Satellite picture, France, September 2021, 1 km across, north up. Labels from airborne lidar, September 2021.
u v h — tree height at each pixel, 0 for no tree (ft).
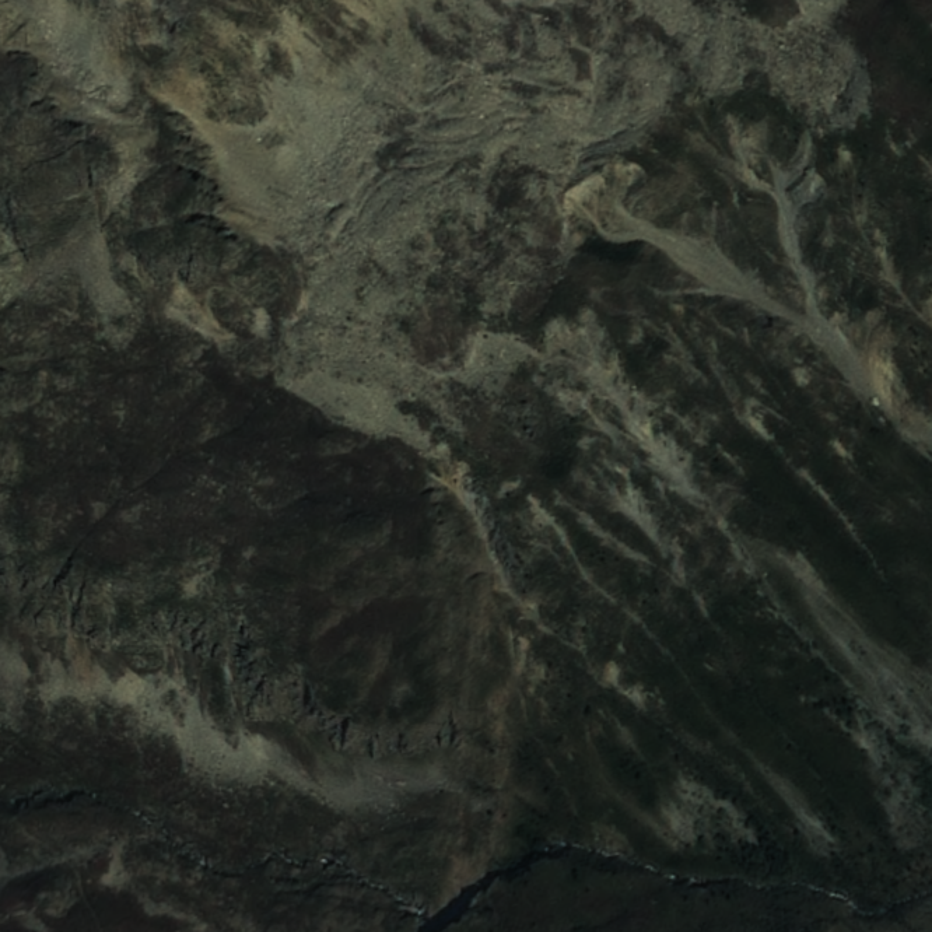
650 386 0
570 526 0
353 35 0
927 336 0
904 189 0
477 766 0
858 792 0
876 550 0
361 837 0
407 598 0
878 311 0
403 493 0
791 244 0
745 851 38
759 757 0
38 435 0
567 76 0
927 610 0
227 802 0
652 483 0
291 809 0
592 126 0
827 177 0
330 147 0
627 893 0
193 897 0
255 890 0
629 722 0
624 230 0
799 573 0
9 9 0
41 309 0
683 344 0
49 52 0
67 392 0
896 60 0
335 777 0
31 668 0
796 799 0
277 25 0
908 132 0
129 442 0
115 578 0
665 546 0
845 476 0
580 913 0
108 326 0
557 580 0
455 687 0
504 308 0
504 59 0
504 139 0
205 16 0
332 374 0
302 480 0
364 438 0
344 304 0
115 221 0
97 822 0
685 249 0
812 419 0
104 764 0
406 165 0
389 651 0
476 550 0
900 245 0
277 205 0
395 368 0
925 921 0
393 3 0
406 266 0
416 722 0
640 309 0
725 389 0
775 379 0
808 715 0
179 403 0
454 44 0
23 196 0
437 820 0
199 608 0
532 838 26
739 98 0
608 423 0
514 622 0
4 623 0
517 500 0
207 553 0
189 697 0
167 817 0
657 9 0
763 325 0
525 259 0
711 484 0
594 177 0
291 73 0
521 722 0
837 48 0
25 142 0
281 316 0
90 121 0
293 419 0
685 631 0
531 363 0
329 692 0
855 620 0
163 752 0
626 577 0
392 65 0
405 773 0
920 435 0
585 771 0
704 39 0
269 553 0
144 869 0
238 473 0
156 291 0
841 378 0
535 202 0
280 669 0
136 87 0
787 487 0
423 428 0
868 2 0
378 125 0
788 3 0
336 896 0
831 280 0
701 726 0
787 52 0
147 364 0
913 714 0
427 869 0
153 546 0
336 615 0
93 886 0
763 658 0
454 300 0
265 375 0
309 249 0
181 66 0
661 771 0
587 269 0
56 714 0
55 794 0
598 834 0
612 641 0
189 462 0
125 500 0
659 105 0
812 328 0
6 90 0
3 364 0
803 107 0
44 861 0
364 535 0
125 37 0
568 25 0
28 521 0
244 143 0
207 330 0
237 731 0
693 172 0
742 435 0
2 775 0
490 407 0
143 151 0
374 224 0
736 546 0
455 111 0
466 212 0
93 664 0
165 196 0
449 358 0
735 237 0
